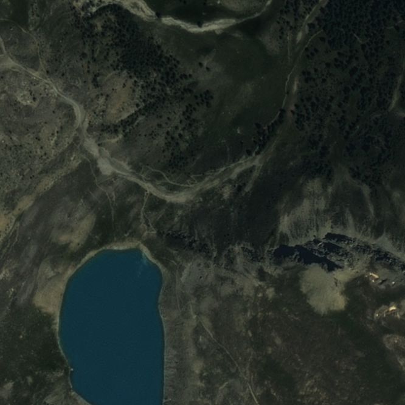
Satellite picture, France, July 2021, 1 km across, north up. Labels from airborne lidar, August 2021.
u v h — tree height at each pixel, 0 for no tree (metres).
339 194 0
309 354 0
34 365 0
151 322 0
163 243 0
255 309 0
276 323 0
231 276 0
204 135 0
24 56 0
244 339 0
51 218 0
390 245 0
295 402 0
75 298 0
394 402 0
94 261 0
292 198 0
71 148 0
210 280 0
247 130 0
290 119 0
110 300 0
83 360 0
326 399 0
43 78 0
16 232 0
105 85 0
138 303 0
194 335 0
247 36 0
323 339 0
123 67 8
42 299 0
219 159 0
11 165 0
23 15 0
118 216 0
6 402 0
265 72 0
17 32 0
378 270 0
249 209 0
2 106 0
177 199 0
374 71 19
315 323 0
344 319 0
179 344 0
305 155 0
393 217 0
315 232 0
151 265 0
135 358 0
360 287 0
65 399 0
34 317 0
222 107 0
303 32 0
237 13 0
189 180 0
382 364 0
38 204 0
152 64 18
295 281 0
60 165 0
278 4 0
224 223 0
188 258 0
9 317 0
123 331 0
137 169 0
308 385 0
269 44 0
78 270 0
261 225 0
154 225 0
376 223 0
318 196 0
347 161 0
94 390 0
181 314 0
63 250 0
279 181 0
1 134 0
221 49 0
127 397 0
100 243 0
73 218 0
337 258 0
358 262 0
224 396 0
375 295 0
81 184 0
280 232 0
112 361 0
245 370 0
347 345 0
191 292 0
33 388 0
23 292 0
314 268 0
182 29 0
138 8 0
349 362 0
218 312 0
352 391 0
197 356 0
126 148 0
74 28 0
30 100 0
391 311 0
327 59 0
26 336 0
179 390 0
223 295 0
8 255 0
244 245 0
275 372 0
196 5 0
